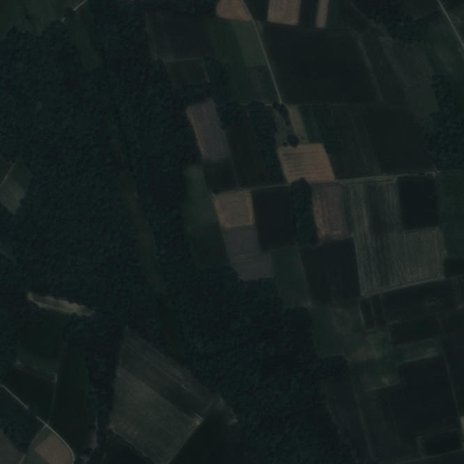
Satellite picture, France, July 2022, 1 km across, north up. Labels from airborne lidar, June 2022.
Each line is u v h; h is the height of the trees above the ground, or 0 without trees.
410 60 0
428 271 0
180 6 23
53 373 0
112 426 0
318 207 0
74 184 26
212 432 0
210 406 0
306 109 0
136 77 22
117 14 29
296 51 0
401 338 0
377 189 0
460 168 12
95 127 19
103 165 19
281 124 0
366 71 0
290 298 0
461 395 0
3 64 18
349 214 0
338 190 0
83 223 23
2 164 0
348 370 18
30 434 7
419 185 0
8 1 0
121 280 16
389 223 0
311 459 23
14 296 24
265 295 13
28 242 28
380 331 0
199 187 0
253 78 0
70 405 0
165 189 29
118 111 25
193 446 0
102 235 25
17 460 0
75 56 25
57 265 30
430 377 0
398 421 0
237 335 24
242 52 0
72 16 19
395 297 0
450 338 0
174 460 0
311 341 22
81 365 0
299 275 0
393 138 0
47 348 0
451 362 0
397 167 0
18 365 0
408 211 0
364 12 19
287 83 0
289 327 24
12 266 24
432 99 0
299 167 0
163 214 30
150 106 20
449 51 0
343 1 0
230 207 0
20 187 0
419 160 0
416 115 0
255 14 0
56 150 20
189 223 0
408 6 0
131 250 31
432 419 0
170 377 0
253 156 0
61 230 24
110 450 0
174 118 26
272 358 19
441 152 22
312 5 0
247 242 0
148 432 0
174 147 29
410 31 16
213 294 25
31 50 19
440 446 0
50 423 0
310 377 24
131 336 0
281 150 0
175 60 0
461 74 0
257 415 17
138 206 0
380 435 0
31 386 0
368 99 0
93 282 30
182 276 30
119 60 7
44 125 24
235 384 27
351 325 0
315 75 0
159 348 19
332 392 0
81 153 24
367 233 0
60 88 22
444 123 10
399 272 0
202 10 22
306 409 31
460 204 0
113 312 31
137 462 0
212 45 0
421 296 0
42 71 24
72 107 19
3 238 25
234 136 0
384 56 0
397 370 0
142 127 19
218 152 0
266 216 0
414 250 0
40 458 0
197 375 22
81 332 25
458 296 0
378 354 0
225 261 0
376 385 0
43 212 32
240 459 0
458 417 0
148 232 0
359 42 0
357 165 0
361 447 0
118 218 26
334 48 0
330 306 0
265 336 15
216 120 0
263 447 19
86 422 0
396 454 0
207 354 19
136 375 0
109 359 25
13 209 0
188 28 0
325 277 0
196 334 31
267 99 0
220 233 0
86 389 0
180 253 27
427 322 0
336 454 30
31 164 25
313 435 30
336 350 0
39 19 0
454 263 0
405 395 0
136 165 27
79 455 0
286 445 21
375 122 0
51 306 0
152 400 0
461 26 0
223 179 0
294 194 17
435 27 0
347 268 0
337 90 0
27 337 0
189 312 29
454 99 17
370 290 0
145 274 27
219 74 10
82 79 22
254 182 0
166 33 0
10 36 17
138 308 26
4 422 15
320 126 8
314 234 15
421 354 0
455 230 0
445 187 0
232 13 0
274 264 0
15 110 27
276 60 0
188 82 0
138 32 25
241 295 22
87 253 27
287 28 0
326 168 0
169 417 0
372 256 0
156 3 23
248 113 0
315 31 0
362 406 0
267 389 25
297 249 0
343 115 0
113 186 24
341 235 0
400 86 0
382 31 0
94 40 0
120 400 0
